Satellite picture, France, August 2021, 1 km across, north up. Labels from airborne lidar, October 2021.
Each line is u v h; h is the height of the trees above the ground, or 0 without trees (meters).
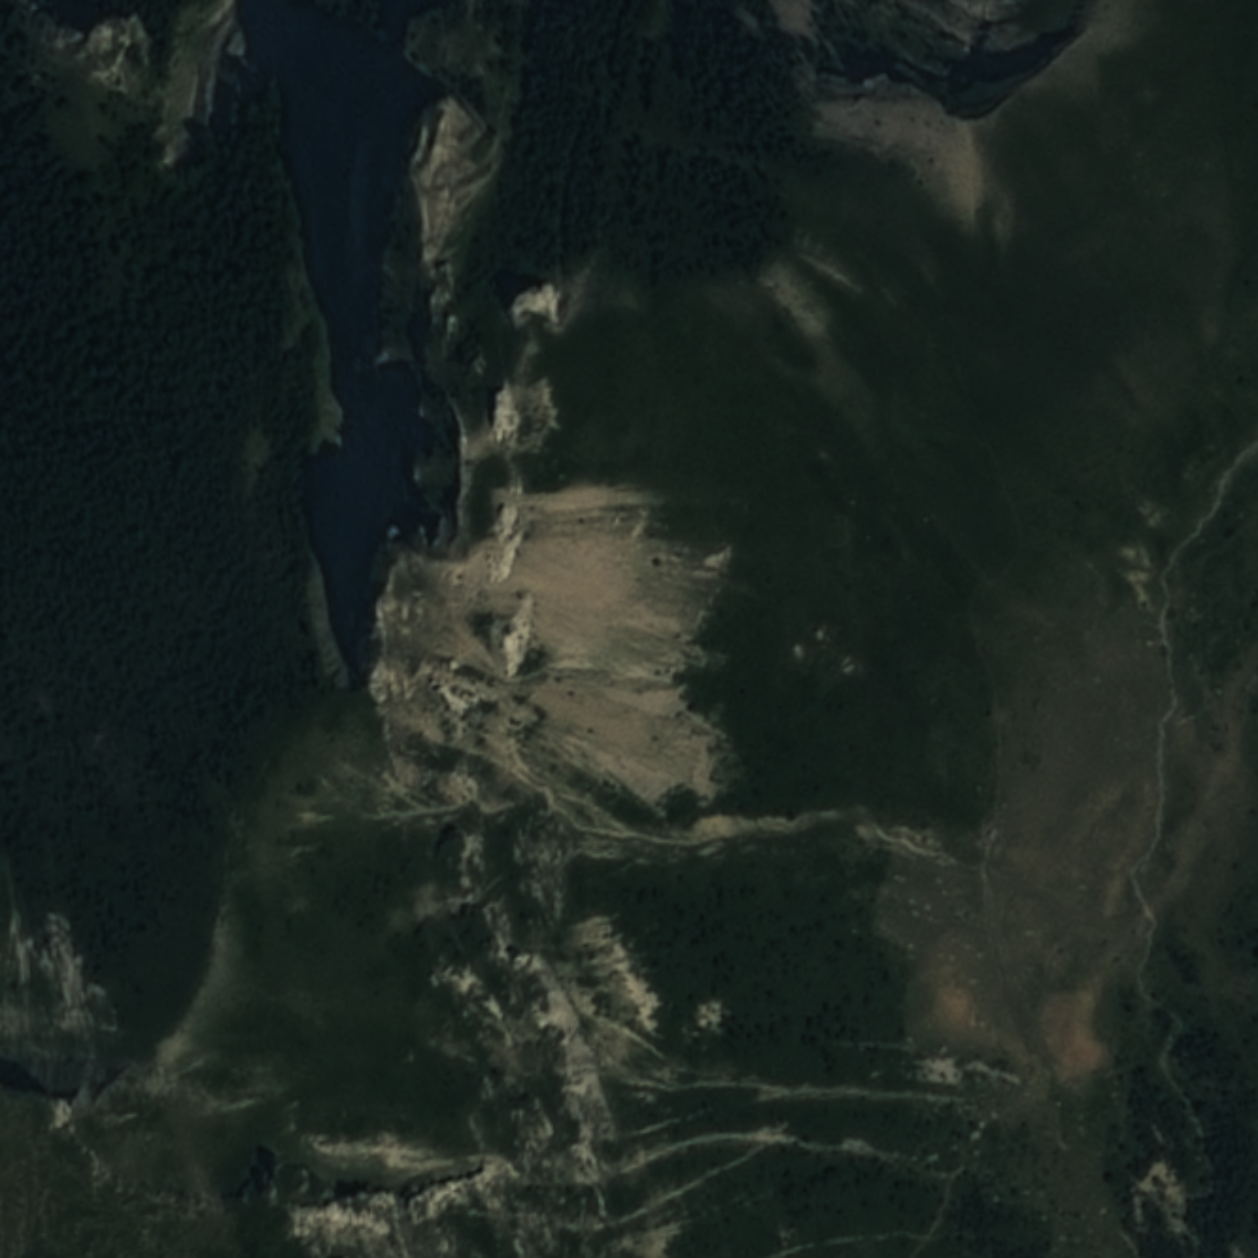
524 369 0
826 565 0
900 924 0
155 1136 0
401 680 0
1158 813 0
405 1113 0
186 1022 0
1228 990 0
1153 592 0
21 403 10
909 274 0
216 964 0
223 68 0
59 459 8
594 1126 0
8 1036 0
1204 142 0
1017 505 0
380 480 0
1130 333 0
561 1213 0
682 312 0
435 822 0
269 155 10
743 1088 0
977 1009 0
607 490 0
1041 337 0
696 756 0
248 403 8
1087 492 0
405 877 0
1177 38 0
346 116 13
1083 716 0
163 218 11
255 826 0
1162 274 0
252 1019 0
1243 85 0
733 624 0
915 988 0
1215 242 0
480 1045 0
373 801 0
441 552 0
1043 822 0
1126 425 0
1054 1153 0
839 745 0
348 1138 0
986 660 0
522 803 0
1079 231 0
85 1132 0
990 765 0
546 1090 0
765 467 0
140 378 7
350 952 0
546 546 0
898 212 0
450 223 0
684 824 0
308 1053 0
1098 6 0
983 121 0
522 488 0
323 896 0
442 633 0
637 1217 0
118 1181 0
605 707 0
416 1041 0
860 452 0
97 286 11
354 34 14
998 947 0
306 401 6
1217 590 0
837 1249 0
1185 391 0
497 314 0
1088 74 0
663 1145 0
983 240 0
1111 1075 0
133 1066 0
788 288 0
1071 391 0
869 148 0
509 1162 0
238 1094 0
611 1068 0
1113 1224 0
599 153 13
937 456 0
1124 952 0
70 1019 0
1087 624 0
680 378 0
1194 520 0
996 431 0
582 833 0
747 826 0
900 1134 0
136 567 7
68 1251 0
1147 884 0
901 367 0
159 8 22
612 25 11
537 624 0
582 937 0
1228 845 0
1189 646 0
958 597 0
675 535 0
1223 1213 9
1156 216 0
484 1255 0
